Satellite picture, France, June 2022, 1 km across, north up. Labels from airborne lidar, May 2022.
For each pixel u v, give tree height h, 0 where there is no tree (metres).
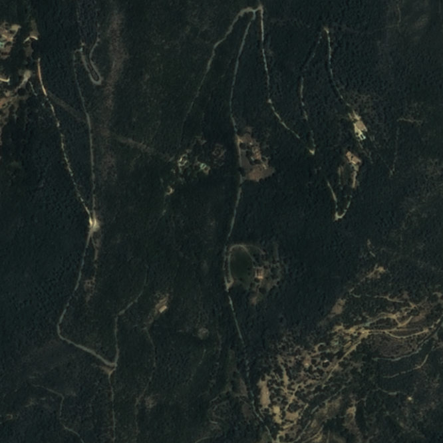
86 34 9
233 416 10
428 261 16
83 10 13
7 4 7
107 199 7
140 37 9
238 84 6
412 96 8
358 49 17
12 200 7
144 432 7
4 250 10
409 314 7
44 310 10
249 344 9
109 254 9
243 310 7
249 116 11
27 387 7
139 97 7
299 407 7
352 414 0
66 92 13
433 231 8
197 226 7
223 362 14
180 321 9
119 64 0
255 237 10
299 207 10
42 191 13
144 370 8
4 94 10
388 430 13
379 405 10
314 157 14
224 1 8
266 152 12
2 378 9
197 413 9
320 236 9
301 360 9
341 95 9
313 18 9
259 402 6
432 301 8
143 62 6
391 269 8
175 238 11
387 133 10
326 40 8
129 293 8
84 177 6
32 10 9
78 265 8
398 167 6
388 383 6
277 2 6
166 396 9
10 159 18
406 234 7
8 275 7
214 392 11
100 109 6
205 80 7
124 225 6
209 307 13
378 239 6
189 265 8
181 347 11
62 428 6
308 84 7
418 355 7
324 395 5
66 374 8
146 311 7
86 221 7
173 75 7
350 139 12
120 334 8
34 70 10
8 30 8
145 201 13
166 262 11
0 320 7
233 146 11
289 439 8
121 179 5
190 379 11
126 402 7
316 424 0
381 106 15
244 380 7
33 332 7
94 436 6
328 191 12
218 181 8
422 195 10
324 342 11
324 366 8
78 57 6
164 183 10
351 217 8
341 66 17
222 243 10
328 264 8
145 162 8
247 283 0
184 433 7
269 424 14
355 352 7
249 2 6
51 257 5
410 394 6
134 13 13
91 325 8
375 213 6
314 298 7
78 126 12
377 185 6
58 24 10
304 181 10
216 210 7
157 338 6
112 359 11
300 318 8
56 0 11
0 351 6
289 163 13
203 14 7
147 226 13
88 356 6
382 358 10
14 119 12
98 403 6
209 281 7
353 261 8
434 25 6
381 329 7
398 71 9
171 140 12
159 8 7
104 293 6
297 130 8
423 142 9
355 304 9
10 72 11
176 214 7
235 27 7
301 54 7
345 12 17
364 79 14
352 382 9
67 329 6
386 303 9
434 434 10
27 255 5
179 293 7
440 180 8
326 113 14
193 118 10
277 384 7
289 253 8
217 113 13
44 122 7
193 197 8
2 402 10
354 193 9
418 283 11
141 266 7
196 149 15
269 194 6
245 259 0
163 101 11
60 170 7
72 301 8
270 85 7
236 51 7
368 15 6
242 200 7
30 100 12
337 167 10
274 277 13
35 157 10
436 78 14
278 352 7
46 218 7
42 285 11
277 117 10
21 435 7
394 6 0
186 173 13
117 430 6
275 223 9
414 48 6
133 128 10
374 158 7
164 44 8
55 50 9
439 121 6
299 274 13
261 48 17
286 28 8
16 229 6
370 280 6
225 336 8
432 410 8
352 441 8
